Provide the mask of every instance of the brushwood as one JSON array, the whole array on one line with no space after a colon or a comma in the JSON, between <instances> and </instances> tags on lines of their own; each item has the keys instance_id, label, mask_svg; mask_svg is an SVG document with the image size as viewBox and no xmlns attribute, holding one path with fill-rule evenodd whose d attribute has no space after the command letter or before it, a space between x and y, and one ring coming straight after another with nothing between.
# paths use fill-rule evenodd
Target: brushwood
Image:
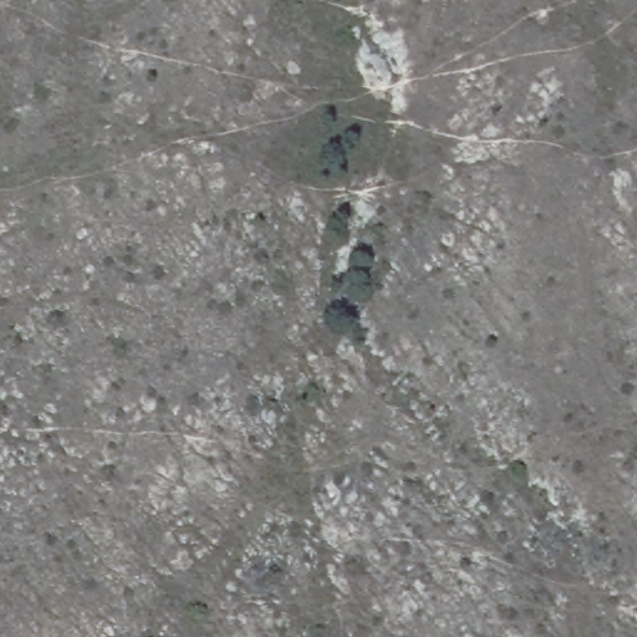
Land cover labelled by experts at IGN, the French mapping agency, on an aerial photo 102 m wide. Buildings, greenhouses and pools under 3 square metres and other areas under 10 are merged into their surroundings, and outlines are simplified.
<instances>
[{"instance_id":1,"label":"brushwood","mask_svg":"<svg viewBox=\"0 0 637 637\"><path fill-rule=\"evenodd\" d=\"M296 289L294 274L276 271L271 289L276 294Z\"/></svg>"},{"instance_id":2,"label":"brushwood","mask_svg":"<svg viewBox=\"0 0 637 637\"><path fill-rule=\"evenodd\" d=\"M341 144L326 142L314 162L321 169L321 177L326 179L341 184L348 172L341 169L341 162L348 162L348 152L358 144L361 134L351 132L348 122L338 117L338 112L328 114L328 109L323 109L319 114L319 122L326 129L341 137Z\"/></svg>"},{"instance_id":3,"label":"brushwood","mask_svg":"<svg viewBox=\"0 0 637 637\"><path fill-rule=\"evenodd\" d=\"M336 259L338 249L348 239L351 216L333 209L326 216L323 241L319 249L321 289L316 291L316 306L323 309L323 321L333 333L338 333L341 338L351 338L351 343L356 346L366 341L366 328L361 326L361 319L351 319L343 311L326 311L326 304L346 299L356 309L361 309L366 301L373 299L376 291L381 291L391 261L376 261L373 256L366 256L353 249L348 256L348 269L338 274Z\"/></svg>"}]
</instances>

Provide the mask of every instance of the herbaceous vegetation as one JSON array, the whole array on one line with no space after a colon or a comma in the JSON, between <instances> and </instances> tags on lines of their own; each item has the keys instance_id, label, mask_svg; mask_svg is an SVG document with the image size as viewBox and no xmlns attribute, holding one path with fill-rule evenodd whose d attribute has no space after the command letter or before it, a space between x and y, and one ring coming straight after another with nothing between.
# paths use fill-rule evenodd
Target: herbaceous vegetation
<instances>
[{"instance_id":1,"label":"herbaceous vegetation","mask_svg":"<svg viewBox=\"0 0 637 637\"><path fill-rule=\"evenodd\" d=\"M336 406L331 406L326 388L319 381L309 381L301 393L284 391L281 396L246 398L246 413L274 413L276 433L271 448L261 448L256 435L249 433L249 445L254 448L254 453L264 455L264 460L244 455L244 463L254 468L259 475L241 475L236 485L241 495L246 495L251 503L266 503L269 510L276 510L284 503L284 513L291 515L291 523L301 525L309 515L314 515L311 500L326 490L326 478L321 473L309 473L301 450L304 435L314 425L319 408L326 411L331 421L336 418Z\"/></svg>"},{"instance_id":2,"label":"herbaceous vegetation","mask_svg":"<svg viewBox=\"0 0 637 637\"><path fill-rule=\"evenodd\" d=\"M274 172L294 172L296 184L323 184L326 179L321 177L321 169L314 162L326 142L341 144L341 137L326 129L319 122L319 114L323 109L328 109L328 114L338 112L338 117L348 122L351 132L361 134L358 144L348 152L348 162L341 162L341 169L348 172L341 184L358 177L366 179L376 172L386 172L401 182L411 174L411 162L408 144L391 134L393 105L363 87L363 77L356 67L356 15L331 7L331 0L271 0L264 22L274 37L301 45L301 55L296 60L299 80L309 82L309 90L301 100L319 100L321 109L304 112L299 122L291 122L279 134L274 134L264 164Z\"/></svg>"}]
</instances>

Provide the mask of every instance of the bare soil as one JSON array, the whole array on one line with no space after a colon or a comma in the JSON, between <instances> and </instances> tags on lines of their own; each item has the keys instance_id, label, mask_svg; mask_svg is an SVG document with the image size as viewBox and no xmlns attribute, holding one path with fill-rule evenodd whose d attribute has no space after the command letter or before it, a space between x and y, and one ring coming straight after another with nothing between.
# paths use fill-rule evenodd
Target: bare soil
<instances>
[{"instance_id":1,"label":"bare soil","mask_svg":"<svg viewBox=\"0 0 637 637\"><path fill-rule=\"evenodd\" d=\"M411 174L401 182L386 172L376 172L366 179L358 177L341 184L326 179L323 184L296 184L294 172L274 172L264 164L274 134L279 134L291 122L299 122L304 112L321 109L319 100L301 100L309 90L309 82L299 80L296 60L301 55L301 45L274 37L264 22L271 0L0 0L0 637L637 637L637 0L331 0L331 7L356 15L356 67L363 77L363 87L393 105L391 134L408 144L411 162ZM323 309L316 306L316 291L321 289L319 249L323 241L326 216L333 209L351 216L348 239L338 249L336 259L338 274L348 269L348 256L353 249L366 256L373 256L376 261L391 261L381 291L376 291L373 299L366 301L361 309L356 309L346 299L326 304L326 311L343 311L351 319L361 319L361 326L366 328L366 341L356 346L351 343L351 338L341 338L338 333L333 333L323 321ZM276 294L271 289L276 271L294 274L296 289ZM301 525L291 523L291 515L284 513L284 503L276 510L269 510L266 503L251 503L246 495L241 495L236 485L241 475L259 475L254 468L244 463L244 455L264 460L264 455L254 453L254 448L249 445L249 433L256 435L261 448L271 448L276 433L274 413L246 413L246 398L281 396L284 391L301 393L309 381L319 381L326 388L331 406L336 406L336 418L331 421L326 411L319 408L314 425L304 435L301 450L309 473L321 473L326 478L326 490L311 500L314 515L309 515Z\"/></svg>"}]
</instances>

